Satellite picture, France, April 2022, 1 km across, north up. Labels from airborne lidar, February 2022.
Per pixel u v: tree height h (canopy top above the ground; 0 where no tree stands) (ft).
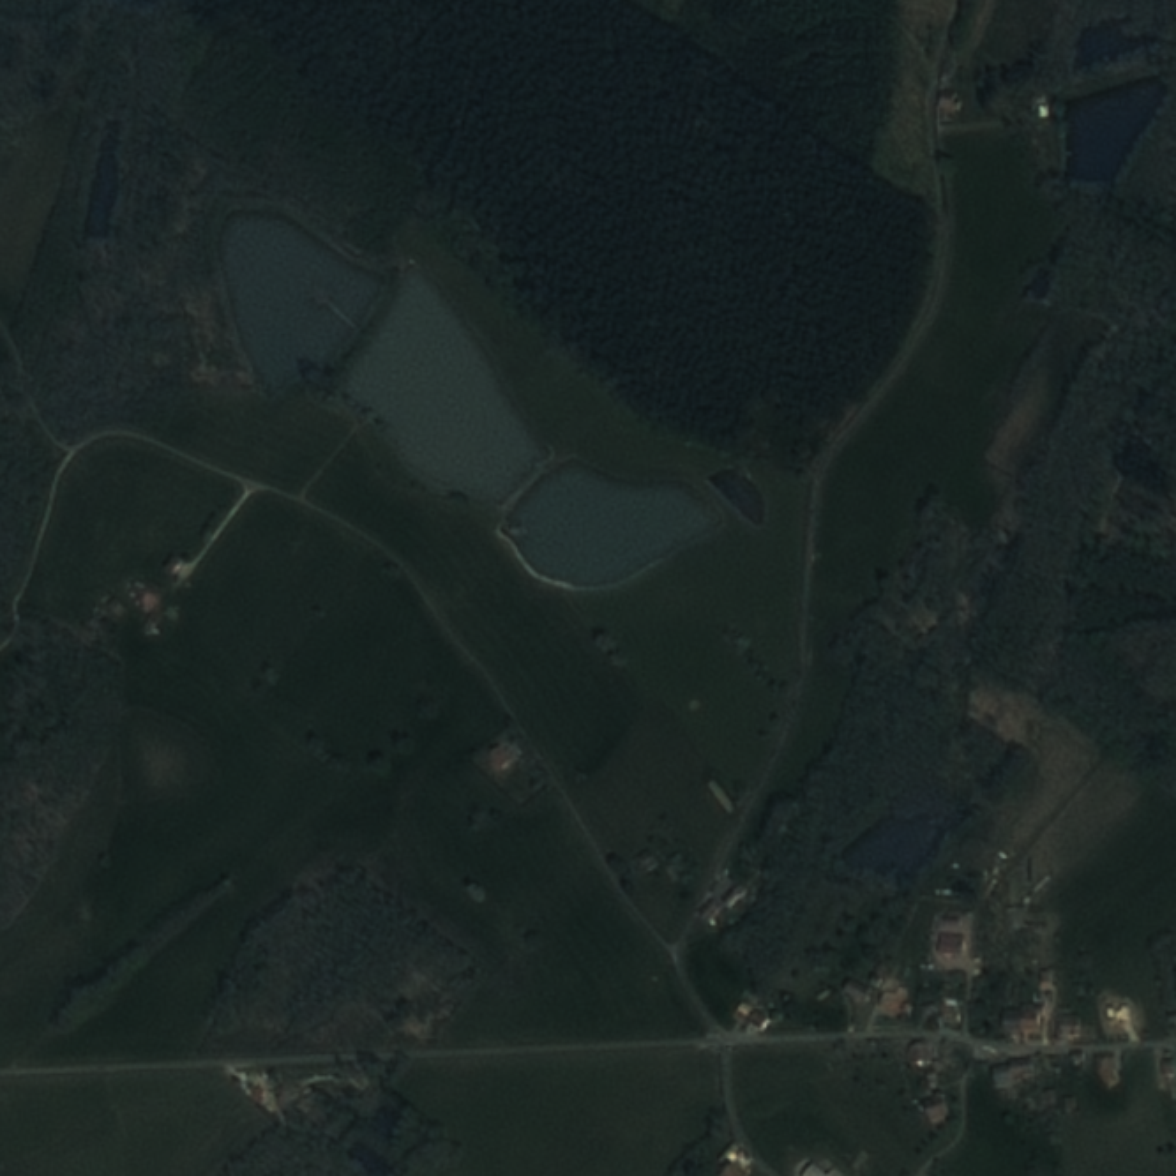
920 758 78
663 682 0
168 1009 0
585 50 114
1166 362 39
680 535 0
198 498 0
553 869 0
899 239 116
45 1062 0
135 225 57
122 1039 0
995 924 0
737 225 107
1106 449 73
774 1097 0
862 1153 0
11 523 56
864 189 107
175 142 87
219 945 0
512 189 117
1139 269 57
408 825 0
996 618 49
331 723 0
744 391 116
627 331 113
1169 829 0
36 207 0
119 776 0
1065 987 0
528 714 0
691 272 98
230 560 0
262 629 0
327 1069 0
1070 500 64
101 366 64
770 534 0
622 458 0
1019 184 0
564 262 108
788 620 0
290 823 0
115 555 0
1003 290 0
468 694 0
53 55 65
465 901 0
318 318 0
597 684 0
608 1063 0
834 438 0
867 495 0
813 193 91
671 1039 0
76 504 0
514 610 0
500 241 113
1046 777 0
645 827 0
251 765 0
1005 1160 0
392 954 56
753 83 29
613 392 52
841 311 103
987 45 0
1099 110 0
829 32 44
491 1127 0
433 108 97
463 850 0
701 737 0
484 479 0
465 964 52
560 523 0
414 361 0
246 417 0
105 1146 0
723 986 0
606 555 0
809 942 0
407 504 0
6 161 0
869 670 77
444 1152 83
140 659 0
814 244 102
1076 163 0
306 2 89
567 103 104
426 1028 0
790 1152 0
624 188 106
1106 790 0
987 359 0
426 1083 0
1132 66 58
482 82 106
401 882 0
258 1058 0
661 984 0
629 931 0
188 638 0
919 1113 41
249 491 0
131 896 0
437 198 65
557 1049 0
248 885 0
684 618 0
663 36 117
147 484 0
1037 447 0
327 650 0
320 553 0
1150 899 0
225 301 0
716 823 0
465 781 0
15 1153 0
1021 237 0
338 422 0
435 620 0
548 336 55
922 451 0
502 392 0
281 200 45
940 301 0
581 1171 0
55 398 24
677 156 95
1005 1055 0
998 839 0
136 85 50
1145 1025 0
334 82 85
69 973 0
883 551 0
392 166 17
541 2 105
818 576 0
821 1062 0
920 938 0
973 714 0
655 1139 0
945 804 52
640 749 0
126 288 59
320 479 0
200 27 74
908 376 0
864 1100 0
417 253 0
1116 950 0
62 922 0
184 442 0
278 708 0
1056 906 0
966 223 0
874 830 0
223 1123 0
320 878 0
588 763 0
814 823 70
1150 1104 0
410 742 47
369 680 0
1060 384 0
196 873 0
